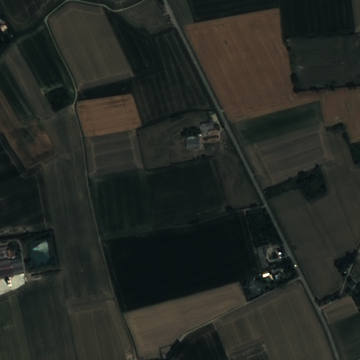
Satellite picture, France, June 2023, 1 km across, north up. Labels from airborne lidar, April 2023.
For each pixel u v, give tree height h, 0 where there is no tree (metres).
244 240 0
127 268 0
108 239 0
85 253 0
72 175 0
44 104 0
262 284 12
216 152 0
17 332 0
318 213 0
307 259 0
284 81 0
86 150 0
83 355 0
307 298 0
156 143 0
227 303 0
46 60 0
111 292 0
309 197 15
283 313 0
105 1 0
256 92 0
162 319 0
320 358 0
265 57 0
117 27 0
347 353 0
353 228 0
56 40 0
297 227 0
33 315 0
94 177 0
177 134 0
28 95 0
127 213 0
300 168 0
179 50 0
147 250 0
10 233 0
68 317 0
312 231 0
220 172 0
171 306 0
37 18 0
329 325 0
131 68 0
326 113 0
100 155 0
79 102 0
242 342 0
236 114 0
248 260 0
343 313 0
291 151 0
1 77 0
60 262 0
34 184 0
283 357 0
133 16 0
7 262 0
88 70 0
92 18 0
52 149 0
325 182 0
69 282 0
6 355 0
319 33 0
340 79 0
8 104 0
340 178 0
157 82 0
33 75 0
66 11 0
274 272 0
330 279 0
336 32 0
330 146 0
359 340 0
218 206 0
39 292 0
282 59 0
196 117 0
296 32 0
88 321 0
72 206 0
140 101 0
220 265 0
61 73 0
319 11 0
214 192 0
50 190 0
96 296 0
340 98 0
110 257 0
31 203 0
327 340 0
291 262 7
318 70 0
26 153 0
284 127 0
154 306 0
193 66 0
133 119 0
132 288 0
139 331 0
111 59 0
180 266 0
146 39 0
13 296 0
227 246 0
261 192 0
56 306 0
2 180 0
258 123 0
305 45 0
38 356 0
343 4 0
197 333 0
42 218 0
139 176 0
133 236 0
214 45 0
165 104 0
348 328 0
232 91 0
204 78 0
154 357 0
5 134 0
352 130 0
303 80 0
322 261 0
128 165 0
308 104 0
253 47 0
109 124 0
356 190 0
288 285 0
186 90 0
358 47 0
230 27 0
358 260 0
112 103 0
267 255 0
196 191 0
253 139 0
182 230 0
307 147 0
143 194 0
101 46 0
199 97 0
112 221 0
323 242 0
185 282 0
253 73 0
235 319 0
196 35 0
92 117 0
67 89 0
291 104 0
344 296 0
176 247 0
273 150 0
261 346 0
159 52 0
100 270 0
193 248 0
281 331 0
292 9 0
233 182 0
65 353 0
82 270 0
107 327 0
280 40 0
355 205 0
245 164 0
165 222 0
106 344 0
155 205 0
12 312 0
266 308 0
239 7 0
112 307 0
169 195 0
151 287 0
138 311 0
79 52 0
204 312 0
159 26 0
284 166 0
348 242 0
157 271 0
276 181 0
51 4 0
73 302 0
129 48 0
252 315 0
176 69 0
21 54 0
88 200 0
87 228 0
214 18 0
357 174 0
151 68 0
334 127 11
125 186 0
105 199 0
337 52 0
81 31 0
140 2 0
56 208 0
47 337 0
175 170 0
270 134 0
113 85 0
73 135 0
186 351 0
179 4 0
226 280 0
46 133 0
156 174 0
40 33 0
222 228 0
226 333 0
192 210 0
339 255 0
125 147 0
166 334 0
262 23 0
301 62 0
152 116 0
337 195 0
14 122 0
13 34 7
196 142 0
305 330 0
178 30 0
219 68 0
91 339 0
